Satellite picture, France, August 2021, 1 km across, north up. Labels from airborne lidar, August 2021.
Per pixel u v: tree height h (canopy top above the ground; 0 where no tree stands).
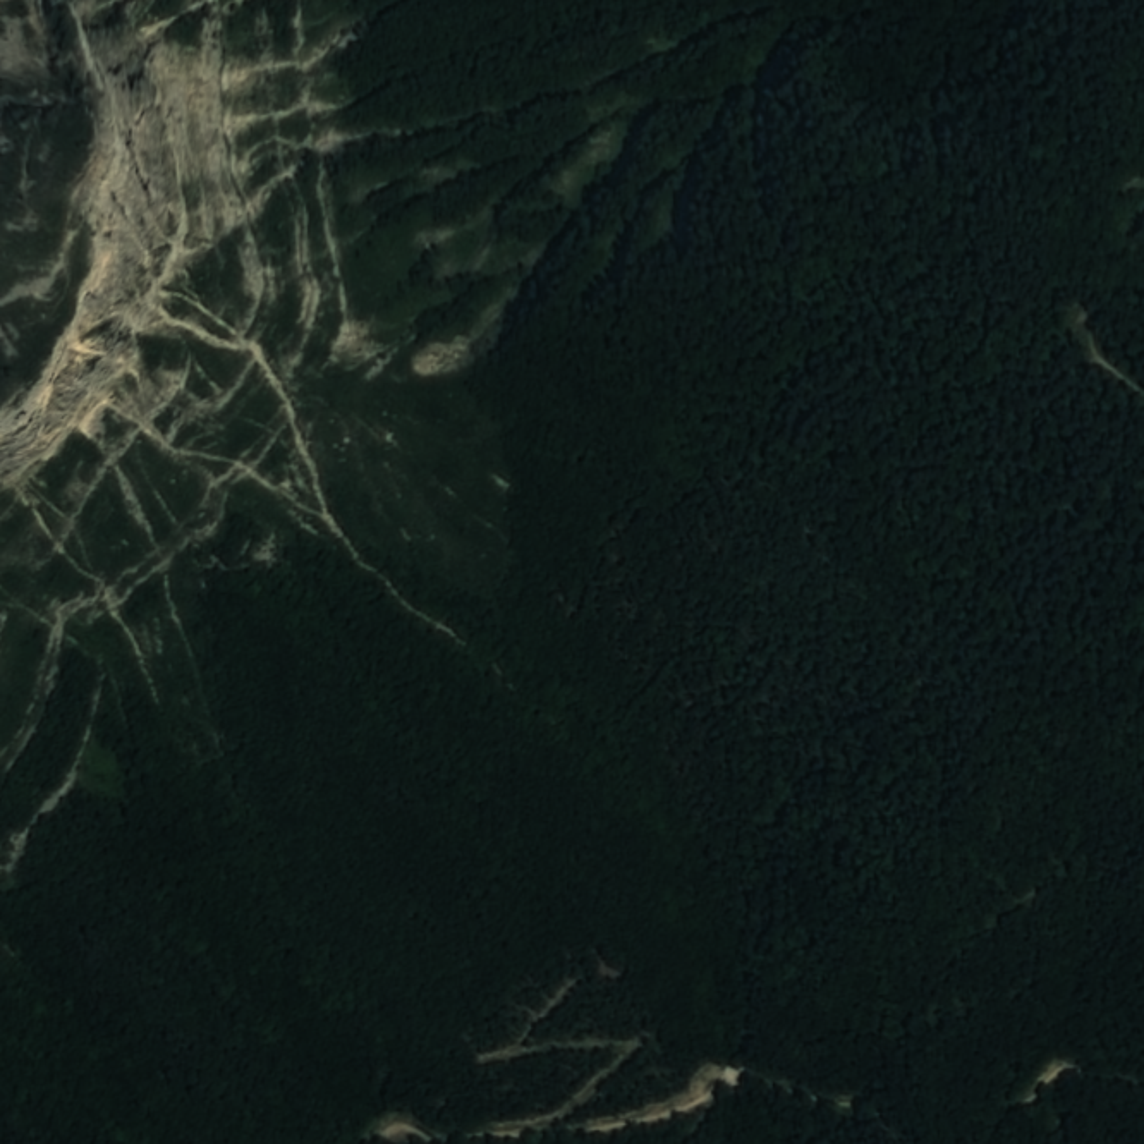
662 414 17
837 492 29
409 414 0
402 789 22
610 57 22
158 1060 23
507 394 12
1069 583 27
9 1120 29
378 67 17
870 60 31
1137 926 19
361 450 0
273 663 17
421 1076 23
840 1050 21
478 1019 18
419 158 6
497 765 19
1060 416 29
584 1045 17
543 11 21
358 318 0
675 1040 17
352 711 23
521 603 11
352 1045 21
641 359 15
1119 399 26
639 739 18
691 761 10
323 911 19
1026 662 20
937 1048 20
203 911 14
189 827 15
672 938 18
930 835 17
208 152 0
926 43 27
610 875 17
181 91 0
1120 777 16
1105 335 25
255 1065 25
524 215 13
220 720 9
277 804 18
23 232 0
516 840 14
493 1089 17
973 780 14
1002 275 24
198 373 0
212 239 0
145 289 0
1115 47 25
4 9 0
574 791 18
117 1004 25
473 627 20
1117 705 14
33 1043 15
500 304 0
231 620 14
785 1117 16
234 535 9
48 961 22
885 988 24
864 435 20
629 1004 22
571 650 17
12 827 10
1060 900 20
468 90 18
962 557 15
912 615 21
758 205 18
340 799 16
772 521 19
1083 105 28
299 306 0
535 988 10
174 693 7
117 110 0
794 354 23
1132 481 27
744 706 19
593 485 20
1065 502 36
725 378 19
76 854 23
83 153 0
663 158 24
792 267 19
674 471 18
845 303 21
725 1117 12
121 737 8
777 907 25
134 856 18
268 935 17
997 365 22
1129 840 15
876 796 14
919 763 21
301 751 19
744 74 14
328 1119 25
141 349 0
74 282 0
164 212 0
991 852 19
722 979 17
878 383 24
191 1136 22
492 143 12
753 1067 21
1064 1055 24
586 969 20
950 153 20
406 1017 17
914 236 19
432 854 19
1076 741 18
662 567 19
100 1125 21
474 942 19
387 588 7
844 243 24
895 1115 24
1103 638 30
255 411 0
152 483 0
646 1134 16
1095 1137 19
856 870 11
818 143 23
